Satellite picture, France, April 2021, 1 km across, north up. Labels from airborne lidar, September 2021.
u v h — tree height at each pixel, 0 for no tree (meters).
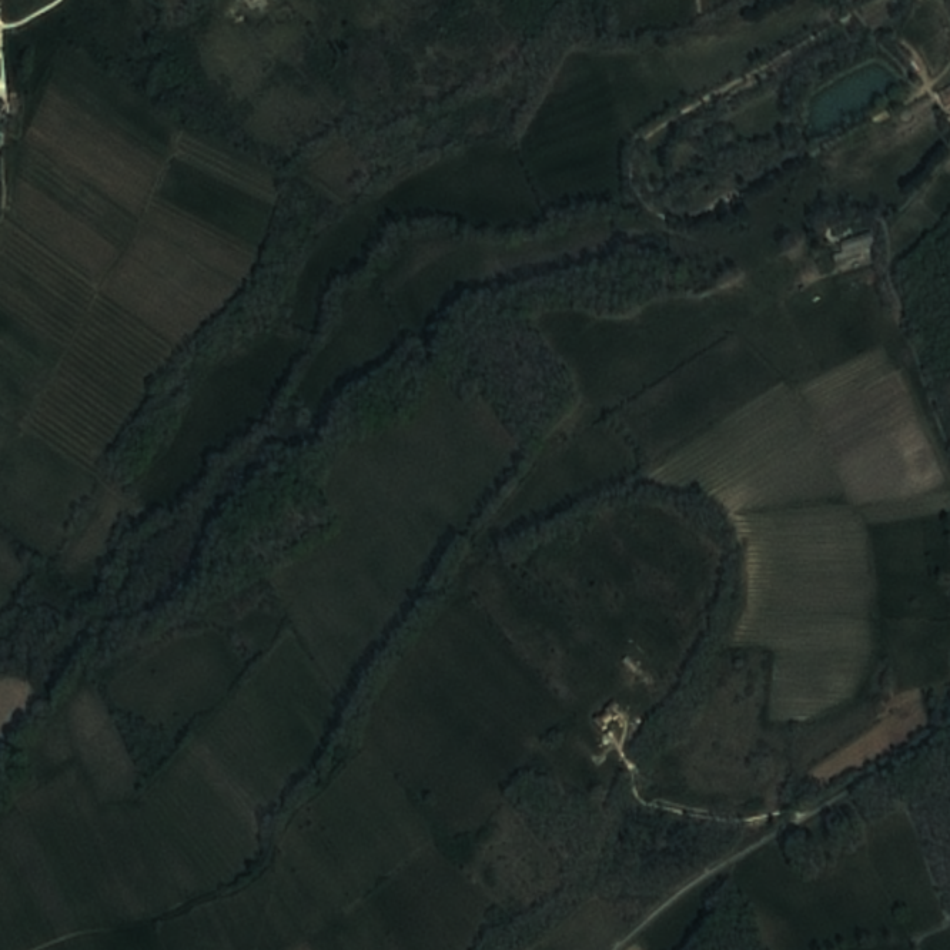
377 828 0
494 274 0
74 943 0
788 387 0
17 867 0
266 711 0
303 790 16
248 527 21
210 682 0
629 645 0
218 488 10
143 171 0
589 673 0
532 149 0
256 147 8
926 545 0
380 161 23
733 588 21
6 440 0
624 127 0
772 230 0
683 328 0
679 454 0
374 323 0
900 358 0
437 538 0
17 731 15
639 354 0
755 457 0
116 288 0
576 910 13
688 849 22
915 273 14
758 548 0
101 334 0
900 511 0
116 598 15
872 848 0
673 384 0
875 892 0
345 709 17
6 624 19
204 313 0
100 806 0
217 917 0
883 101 14
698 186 19
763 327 0
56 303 0
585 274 20
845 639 0
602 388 0
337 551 0
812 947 0
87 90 0
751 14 18
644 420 0
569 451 0
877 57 16
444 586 18
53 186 0
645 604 0
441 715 0
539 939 19
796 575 0
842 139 14
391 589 0
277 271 24
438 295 0
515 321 17
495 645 0
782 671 0
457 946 0
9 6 0
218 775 0
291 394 18
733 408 0
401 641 16
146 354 0
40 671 23
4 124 10
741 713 0
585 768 0
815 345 0
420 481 0
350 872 0
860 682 0
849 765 0
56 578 6
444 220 16
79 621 17
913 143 0
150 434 18
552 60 18
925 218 0
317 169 0
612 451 0
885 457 0
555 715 0
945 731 15
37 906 0
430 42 7
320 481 19
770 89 14
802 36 11
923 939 0
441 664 0
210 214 0
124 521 11
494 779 0
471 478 0
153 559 16
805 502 0
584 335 0
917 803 15
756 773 20
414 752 0
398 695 0
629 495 16
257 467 9
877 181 0
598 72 0
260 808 0
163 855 0
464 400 18
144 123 0
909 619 0
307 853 0
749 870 0
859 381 0
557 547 9
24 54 8
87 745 0
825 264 0
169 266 0
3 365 0
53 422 0
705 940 22
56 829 0
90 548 0
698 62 0
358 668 0
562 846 13
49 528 0
